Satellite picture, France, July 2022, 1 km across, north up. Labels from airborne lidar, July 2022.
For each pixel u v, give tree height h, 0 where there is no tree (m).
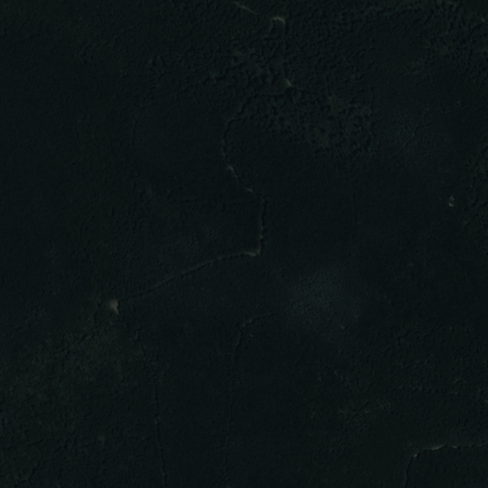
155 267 16
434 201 8
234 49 30
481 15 13
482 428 23
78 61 27
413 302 18
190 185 19
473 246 19
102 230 14
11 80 23
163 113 18
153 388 23
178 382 20
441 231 10
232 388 13
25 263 16
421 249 10
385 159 19
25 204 14
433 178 9
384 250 10
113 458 19
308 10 28
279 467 10
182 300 17
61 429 25
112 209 26
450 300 17
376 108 17
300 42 22
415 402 27
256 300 18
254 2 21
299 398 16
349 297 10
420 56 12
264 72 6
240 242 18
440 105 10
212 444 15
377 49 13
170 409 21
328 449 22
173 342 20
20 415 28
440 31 24
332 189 20
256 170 20
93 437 21
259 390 14
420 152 7
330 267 13
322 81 18
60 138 21
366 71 16
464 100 18
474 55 26
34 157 16
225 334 19
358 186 20
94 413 26
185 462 19
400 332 21
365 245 12
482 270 21
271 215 19
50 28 24
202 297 10
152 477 19
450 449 19
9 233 18
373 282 11
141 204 23
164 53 30
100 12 18
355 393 23
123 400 24
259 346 19
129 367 25
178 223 19
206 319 13
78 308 15
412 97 13
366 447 23
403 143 10
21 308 14
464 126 17
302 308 7
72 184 25
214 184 24
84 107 23
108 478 22
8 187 18
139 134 14
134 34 17
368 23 14
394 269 10
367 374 21
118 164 26
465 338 21
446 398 23
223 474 14
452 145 12
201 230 19
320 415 17
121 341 24
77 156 31
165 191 28
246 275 17
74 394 24
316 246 15
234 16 14
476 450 21
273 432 11
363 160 21
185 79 20
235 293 14
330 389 16
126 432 22
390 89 13
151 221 20
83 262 15
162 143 14
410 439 26
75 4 16
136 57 25
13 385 17
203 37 22
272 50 16
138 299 19
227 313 13
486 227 28
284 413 15
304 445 18
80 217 21
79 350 24
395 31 17
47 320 14
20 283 19
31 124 22
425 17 27
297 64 18
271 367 17
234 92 22
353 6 21
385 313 18
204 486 16
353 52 16
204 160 19
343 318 9
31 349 20
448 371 21
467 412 25
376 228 13
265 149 18
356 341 16
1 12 13
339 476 25
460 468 23
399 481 22
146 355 17
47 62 24
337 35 19
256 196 22
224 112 17
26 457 20
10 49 24
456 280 18
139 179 22
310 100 13
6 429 24
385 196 14
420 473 23
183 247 16
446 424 24
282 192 27
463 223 13
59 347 11
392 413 27
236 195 24
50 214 15
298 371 13
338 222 20
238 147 15
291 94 13
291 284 9
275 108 5
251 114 21
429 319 21
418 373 22
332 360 15
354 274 10
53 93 22
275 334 17
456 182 12
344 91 18
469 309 21
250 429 11
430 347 21
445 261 14
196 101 17
